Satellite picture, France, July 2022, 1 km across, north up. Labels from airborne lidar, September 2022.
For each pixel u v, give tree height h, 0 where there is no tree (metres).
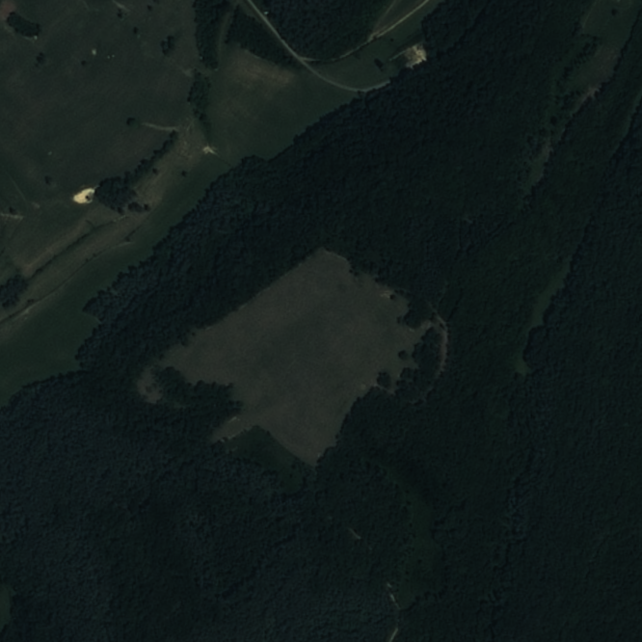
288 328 0
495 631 23
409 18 0
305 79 0
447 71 18
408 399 19
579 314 18
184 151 0
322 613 14
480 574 25
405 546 20
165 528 20
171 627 14
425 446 20
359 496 16
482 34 24
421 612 16
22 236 0
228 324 0
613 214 20
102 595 19
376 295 0
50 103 0
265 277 14
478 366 21
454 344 18
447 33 19
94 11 0
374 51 0
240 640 18
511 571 22
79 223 0
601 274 21
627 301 10
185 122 0
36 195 0
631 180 21
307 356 0
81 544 18
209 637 18
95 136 0
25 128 0
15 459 20
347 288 0
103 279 0
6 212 0
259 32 12
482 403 20
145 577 15
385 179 25
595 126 18
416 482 9
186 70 0
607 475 9
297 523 16
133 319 10
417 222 18
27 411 17
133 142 0
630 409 13
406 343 0
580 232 19
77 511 20
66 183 0
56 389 20
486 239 14
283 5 24
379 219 23
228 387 7
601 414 11
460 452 17
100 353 17
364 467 23
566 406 19
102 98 0
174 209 0
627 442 12
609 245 20
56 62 0
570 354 21
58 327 0
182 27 0
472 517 20
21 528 16
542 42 11
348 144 23
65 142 0
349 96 0
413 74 23
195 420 24
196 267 9
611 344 11
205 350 0
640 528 15
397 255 21
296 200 12
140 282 17
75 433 19
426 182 20
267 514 19
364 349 0
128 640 17
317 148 11
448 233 21
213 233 20
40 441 21
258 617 14
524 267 22
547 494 20
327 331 0
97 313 17
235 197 19
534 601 17
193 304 19
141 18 0
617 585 16
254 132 0
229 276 18
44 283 0
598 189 20
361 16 20
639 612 15
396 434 21
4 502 16
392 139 29
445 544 18
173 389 6
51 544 20
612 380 13
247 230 21
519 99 20
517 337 14
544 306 0
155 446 20
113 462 17
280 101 0
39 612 20
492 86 17
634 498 13
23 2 0
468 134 20
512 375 21
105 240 0
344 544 16
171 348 13
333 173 20
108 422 19
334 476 26
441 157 21
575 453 13
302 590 18
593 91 0
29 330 0
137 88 0
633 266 10
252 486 20
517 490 23
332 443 0
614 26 0
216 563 15
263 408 0
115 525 10
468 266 17
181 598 22
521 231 16
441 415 21
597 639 20
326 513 16
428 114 25
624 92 16
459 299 7
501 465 24
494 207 24
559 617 10
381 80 0
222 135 0
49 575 19
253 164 14
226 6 25
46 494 21
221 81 0
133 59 0
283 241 18
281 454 0
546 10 15
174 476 23
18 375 0
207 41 14
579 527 9
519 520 33
